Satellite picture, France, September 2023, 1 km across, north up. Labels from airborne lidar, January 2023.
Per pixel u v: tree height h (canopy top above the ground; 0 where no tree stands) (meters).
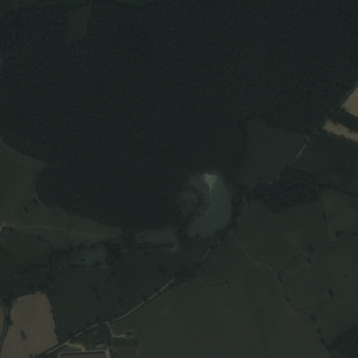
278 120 19
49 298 11
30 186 0
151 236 0
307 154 0
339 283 0
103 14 17
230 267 0
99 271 0
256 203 0
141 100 22
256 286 0
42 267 10
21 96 25
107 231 0
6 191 0
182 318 0
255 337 0
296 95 15
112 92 19
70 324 0
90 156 23
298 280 0
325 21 20
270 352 0
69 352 0
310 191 18
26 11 8
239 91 17
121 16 20
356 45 24
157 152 25
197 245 0
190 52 22
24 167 0
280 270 0
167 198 20
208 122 24
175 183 24
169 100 23
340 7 20
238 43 18
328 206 0
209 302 0
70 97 18
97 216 20
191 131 26
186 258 0
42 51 27
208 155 19
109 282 14
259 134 0
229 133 20
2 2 0
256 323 0
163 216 23
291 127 15
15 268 0
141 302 0
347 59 20
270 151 0
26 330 0
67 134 21
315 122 19
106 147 22
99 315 0
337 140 0
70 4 0
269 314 0
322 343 11
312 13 22
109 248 12
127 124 19
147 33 19
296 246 0
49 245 0
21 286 0
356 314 0
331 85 20
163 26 22
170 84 21
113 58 19
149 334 0
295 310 0
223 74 16
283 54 20
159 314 0
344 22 21
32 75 20
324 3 16
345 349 21
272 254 0
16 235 0
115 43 21
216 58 21
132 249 0
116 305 0
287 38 22
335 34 20
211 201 0
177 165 21
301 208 0
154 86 23
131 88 22
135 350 0
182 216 19
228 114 22
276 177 0
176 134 20
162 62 14
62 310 0
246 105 17
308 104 15
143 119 23
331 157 0
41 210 0
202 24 19
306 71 20
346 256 0
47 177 22
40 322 0
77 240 0
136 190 23
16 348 0
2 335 0
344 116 6
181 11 19
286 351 0
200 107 25
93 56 15
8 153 0
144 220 22
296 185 19
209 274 0
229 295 0
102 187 22
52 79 15
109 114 16
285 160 0
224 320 0
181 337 0
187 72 22
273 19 19
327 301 0
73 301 0
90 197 22
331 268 0
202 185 0
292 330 0
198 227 0
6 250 0
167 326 0
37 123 17
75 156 24
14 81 18
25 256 0
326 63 18
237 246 0
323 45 22
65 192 25
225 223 0
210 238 0
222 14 22
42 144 17
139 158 19
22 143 19
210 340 0
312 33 24
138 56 23
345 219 0
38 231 0
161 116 19
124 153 21
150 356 0
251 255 0
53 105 22
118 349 0
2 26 9
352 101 0
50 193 21
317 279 0
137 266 0
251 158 0
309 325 0
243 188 12
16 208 0
